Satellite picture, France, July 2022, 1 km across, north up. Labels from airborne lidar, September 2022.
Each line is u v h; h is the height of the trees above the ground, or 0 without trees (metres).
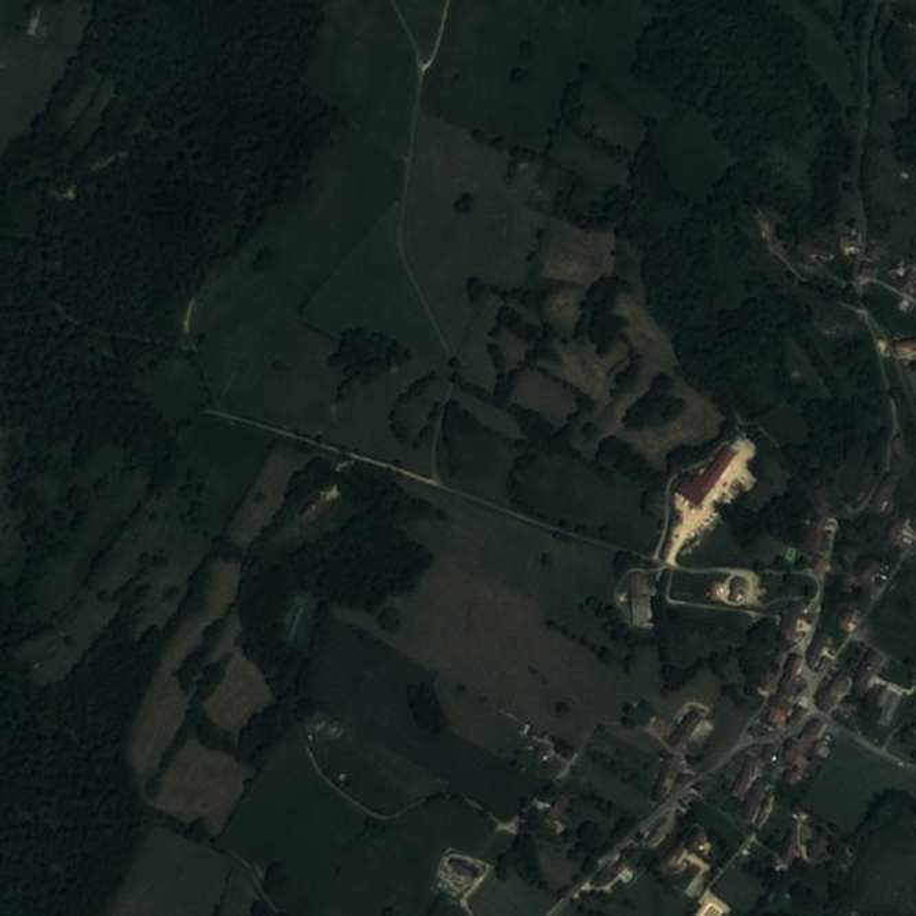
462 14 0
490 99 0
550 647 0
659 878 9
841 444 6
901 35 17
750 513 15
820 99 13
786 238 17
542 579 0
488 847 0
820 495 0
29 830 20
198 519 13
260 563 10
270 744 20
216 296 0
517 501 10
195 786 0
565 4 0
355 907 0
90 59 13
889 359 0
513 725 0
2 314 29
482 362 0
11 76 0
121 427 22
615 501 0
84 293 19
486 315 0
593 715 0
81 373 14
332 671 0
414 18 0
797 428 0
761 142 9
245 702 0
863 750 0
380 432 0
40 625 14
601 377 0
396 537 22
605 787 0
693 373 15
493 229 0
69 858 22
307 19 15
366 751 0
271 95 20
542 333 16
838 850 15
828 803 0
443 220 0
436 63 0
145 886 0
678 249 15
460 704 0
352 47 0
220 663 7
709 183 0
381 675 0
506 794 0
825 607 9
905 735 11
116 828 16
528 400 0
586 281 0
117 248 20
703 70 19
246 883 0
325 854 0
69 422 22
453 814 0
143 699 13
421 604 0
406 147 0
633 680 0
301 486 15
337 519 0
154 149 23
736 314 8
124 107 9
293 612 0
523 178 0
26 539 16
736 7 15
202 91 18
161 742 0
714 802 7
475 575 0
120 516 0
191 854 0
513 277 0
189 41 14
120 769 23
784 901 0
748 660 7
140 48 7
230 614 6
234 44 22
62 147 13
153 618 0
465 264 0
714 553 0
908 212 11
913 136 13
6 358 26
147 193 6
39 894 23
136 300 7
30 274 33
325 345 0
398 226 0
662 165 11
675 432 0
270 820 0
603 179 0
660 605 15
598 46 0
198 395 0
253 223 22
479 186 0
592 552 0
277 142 19
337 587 23
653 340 0
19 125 0
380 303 0
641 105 0
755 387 0
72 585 0
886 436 10
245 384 0
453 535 0
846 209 0
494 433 6
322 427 0
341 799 0
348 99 0
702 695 0
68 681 10
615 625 13
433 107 0
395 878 0
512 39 0
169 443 15
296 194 21
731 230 16
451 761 0
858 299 12
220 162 26
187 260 18
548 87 0
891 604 0
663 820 0
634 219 14
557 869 0
